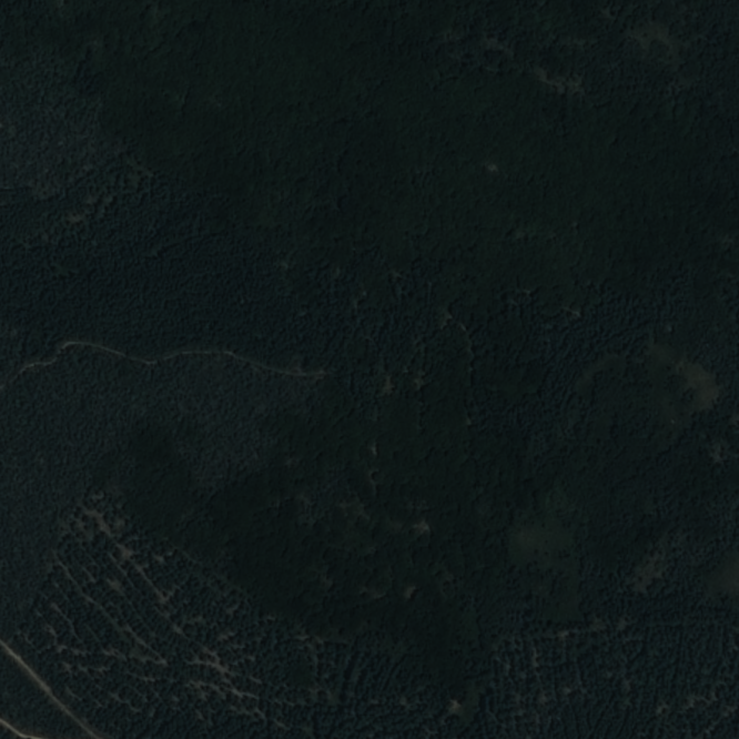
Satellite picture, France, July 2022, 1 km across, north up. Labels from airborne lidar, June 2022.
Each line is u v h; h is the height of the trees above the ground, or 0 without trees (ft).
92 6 19
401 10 45
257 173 38
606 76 39
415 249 41
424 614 31
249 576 50
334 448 41
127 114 34
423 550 38
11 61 29
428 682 40
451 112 55
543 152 56
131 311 59
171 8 38
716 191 51
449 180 45
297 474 48
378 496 35
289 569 59
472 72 63
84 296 66
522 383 60
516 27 32
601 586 42
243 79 43
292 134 30
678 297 48
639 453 40
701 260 48
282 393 29
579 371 72
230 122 52
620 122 50
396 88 50
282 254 27
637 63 27
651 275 34
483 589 30
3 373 30
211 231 43
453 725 79
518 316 38
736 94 27
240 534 37
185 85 21
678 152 63
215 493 22
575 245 38
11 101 30
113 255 49
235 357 31
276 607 34
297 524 28
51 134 31
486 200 21
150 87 45
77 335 56
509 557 25
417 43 56
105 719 56
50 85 22
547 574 26
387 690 71
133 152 53
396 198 43
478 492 34
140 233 70
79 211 31
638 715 46
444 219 45
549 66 26
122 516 56
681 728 45
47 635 36
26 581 25
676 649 48
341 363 53
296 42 50
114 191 42
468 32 27
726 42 71
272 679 48
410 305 43
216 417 31
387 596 28
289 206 37
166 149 30
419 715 58
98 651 54
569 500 19
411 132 63
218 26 51
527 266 50
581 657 27
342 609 38
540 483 34
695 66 29
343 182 34
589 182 52
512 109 45
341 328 61
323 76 39
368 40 31
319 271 38
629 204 36
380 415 22
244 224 19
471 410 67
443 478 45
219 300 51
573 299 32
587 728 38
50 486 28
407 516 34
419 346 41
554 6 52
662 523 38
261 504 45
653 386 40
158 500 31
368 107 46
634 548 34
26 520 33
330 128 41
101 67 31
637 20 24
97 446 23
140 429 30
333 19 54
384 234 41
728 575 0
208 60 47
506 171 42
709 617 31
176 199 59
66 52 38
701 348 26
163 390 35
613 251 49
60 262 67
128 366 31
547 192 54
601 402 42
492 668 31
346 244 47
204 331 50
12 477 34
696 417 32
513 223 52
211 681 50
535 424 83
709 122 32
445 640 56
